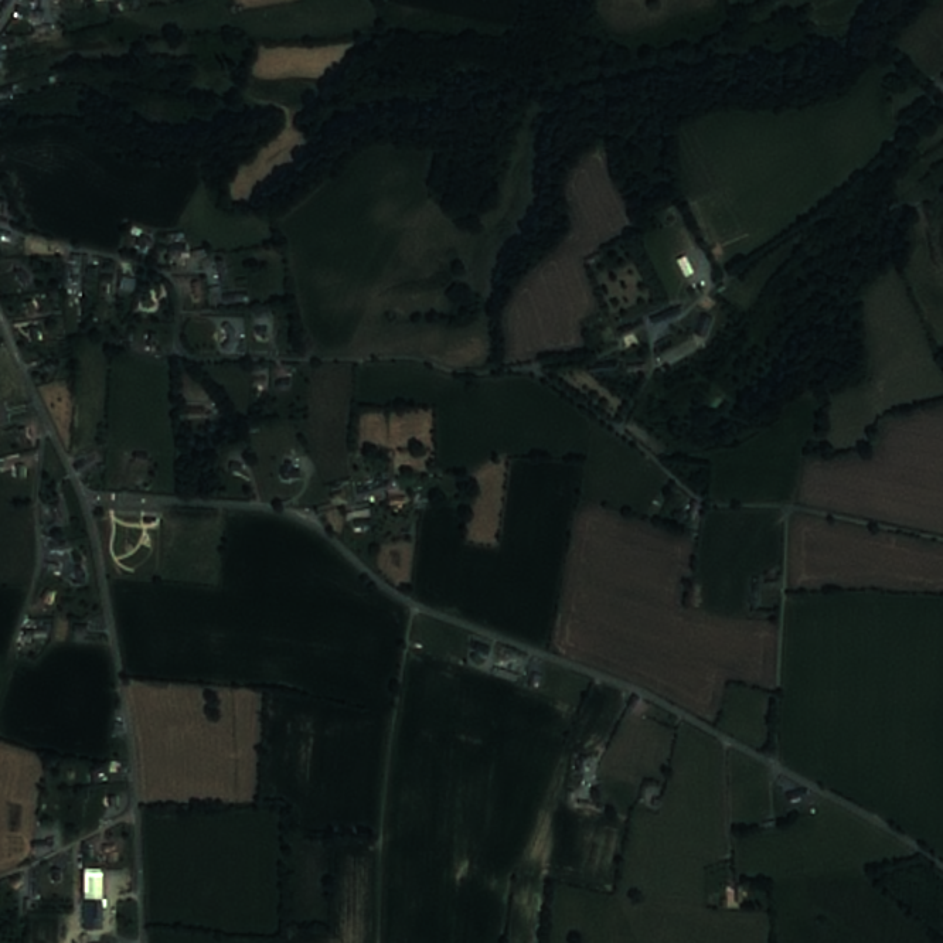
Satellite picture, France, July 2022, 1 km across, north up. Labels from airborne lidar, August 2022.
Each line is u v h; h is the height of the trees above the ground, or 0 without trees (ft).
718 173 0
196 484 53
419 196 0
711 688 0
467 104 79
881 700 0
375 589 46
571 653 0
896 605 0
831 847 0
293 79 0
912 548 0
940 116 52
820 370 52
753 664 0
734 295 0
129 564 0
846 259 82
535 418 0
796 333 23
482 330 0
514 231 0
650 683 0
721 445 42
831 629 0
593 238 0
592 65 34
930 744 0
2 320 0
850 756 0
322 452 0
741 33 73
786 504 0
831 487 0
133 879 0
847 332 66
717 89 77
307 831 19
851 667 0
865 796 0
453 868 0
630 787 0
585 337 27
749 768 0
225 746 0
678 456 33
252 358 40
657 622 0
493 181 61
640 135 26
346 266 0
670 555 0
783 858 0
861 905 0
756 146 0
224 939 22
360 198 0
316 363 28
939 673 0
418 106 43
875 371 0
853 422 0
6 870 0
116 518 0
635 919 0
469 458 0
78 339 23
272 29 0
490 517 0
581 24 71
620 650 0
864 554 0
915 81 22
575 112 75
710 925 0
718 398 0
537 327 0
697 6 0
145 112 0
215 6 0
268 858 0
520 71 70
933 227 0
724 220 0
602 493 0
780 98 51
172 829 0
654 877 0
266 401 19
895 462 0
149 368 0
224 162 68
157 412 0
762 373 31
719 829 0
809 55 27
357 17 0
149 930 22
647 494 0
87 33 36
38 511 0
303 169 59
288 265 20
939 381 0
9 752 0
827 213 52
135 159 58
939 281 0
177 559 0
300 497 0
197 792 0
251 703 0
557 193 54
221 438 84
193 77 46
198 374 47
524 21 45
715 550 0
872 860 0
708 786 0
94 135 44
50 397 0
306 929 37
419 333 0
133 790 0
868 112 0
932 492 0
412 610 0
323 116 69
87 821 0
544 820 0
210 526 0
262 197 67
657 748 0
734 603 0
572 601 0
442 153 49
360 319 0
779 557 0
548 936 43
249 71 37
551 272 0
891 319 0
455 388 0
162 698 0
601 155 0
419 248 0
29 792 0
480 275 0
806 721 0
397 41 66
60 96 0
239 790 0
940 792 0
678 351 0
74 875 0
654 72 37
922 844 32
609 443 0
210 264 0
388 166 0
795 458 0
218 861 0
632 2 0
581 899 0
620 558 0
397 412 33
